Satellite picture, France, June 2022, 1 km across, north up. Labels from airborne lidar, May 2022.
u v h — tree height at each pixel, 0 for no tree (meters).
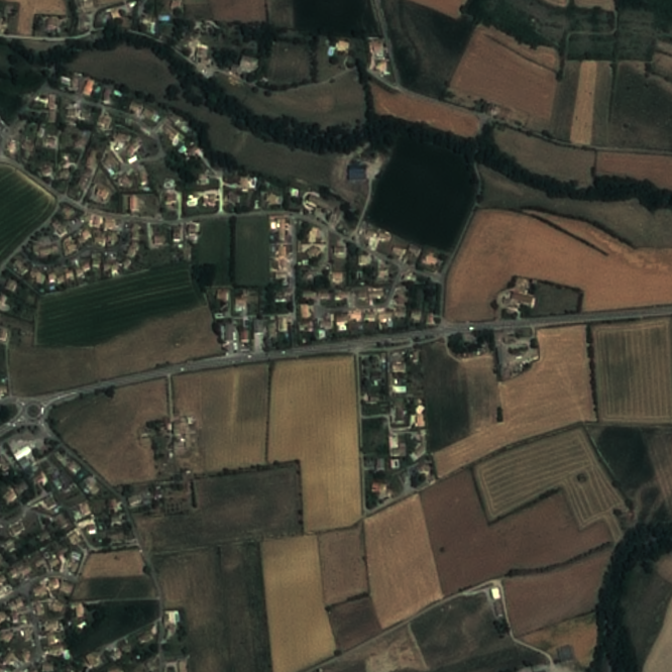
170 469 0
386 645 0
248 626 0
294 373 0
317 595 0
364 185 0
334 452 0
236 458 0
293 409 0
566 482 0
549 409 0
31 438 0
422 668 0
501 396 0
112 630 0
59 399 0
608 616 24
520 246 0
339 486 0
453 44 0
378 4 0
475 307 0
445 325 0
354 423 0
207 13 0
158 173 0
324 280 6
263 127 17
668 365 0
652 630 0
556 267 0
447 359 0
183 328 0
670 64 0
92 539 0
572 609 0
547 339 0
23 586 0
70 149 6
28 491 8
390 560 0
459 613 0
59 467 0
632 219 0
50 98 0
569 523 0
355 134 15
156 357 0
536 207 7
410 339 0
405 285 9
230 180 0
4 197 0
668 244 0
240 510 0
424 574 0
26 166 7
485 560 0
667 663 0
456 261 0
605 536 0
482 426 0
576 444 0
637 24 0
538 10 0
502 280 0
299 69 0
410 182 0
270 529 0
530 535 0
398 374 6
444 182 0
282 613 0
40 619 0
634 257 0
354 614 0
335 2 0
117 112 0
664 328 0
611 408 0
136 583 0
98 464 0
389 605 0
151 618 0
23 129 9
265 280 0
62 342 0
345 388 0
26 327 0
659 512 0
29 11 0
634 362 0
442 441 0
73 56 8
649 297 0
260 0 0
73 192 0
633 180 10
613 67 12
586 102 0
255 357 0
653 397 0
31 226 0
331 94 0
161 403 0
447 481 0
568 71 0
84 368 0
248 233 0
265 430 0
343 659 0
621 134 0
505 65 0
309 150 7
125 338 0
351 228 0
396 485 0
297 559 0
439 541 0
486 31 0
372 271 6
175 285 0
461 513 0
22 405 0
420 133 14
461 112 0
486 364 0
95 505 0
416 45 0
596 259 0
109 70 0
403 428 0
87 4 0
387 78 0
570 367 0
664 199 16
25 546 6
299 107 0
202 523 0
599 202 9
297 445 0
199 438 0
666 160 0
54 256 10
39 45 0
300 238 8
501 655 0
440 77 0
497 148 8
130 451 0
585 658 0
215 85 21
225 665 0
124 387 0
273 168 0
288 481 0
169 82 0
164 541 0
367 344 0
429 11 0
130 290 0
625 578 16
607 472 0
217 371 0
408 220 0
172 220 0
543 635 0
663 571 0
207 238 0
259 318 12
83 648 0
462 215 0
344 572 0
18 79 13
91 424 0
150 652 7
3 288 12
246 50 11
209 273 13
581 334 0
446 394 0
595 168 6
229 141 0
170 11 0
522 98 0
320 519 0
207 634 0
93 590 0
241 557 0
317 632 0
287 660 0
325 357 0
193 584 0
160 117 0
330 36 11
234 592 0
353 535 0
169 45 12
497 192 0
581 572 0
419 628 0
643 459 0
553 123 0
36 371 0
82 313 0
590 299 0
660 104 0
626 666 26
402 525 0
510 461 0
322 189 11
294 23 0
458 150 17
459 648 0
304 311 0
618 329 0
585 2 0
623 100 0
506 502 0
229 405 0
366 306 0
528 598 0
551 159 0
